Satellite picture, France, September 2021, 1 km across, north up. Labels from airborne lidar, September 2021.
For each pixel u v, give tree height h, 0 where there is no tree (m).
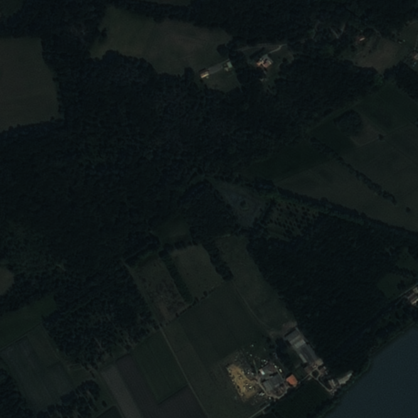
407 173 0
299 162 0
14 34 21
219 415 0
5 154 21
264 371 0
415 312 15
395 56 0
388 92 0
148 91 21
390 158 0
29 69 0
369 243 18
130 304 21
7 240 11
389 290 0
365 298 22
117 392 0
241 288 0
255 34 16
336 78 20
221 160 23
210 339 0
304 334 14
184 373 0
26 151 27
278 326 0
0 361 6
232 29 22
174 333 0
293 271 19
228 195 0
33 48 0
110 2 22
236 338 0
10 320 0
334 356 20
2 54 0
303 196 0
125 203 7
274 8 22
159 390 0
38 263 16
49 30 22
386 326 0
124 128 33
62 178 25
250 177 0
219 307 0
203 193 23
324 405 15
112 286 20
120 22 0
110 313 20
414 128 0
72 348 20
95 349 9
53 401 0
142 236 18
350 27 9
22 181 23
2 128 0
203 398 0
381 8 24
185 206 29
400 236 19
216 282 0
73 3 30
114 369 0
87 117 24
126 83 20
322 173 0
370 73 21
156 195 30
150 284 0
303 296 24
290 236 8
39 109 0
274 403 9
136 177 31
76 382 0
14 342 0
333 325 23
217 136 22
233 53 16
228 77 0
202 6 28
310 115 17
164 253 26
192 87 12
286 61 13
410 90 15
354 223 23
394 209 0
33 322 0
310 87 17
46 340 0
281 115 21
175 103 18
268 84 0
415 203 0
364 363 22
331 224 23
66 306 21
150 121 18
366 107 0
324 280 19
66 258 20
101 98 29
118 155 8
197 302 12
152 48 0
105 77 25
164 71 0
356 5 22
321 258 21
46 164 25
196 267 0
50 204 26
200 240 15
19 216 16
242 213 0
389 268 15
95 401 12
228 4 22
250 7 20
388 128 0
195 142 23
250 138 34
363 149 0
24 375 0
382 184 0
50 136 25
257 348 0
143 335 14
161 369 0
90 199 15
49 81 0
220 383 0
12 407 18
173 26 0
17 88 0
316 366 0
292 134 22
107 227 23
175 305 0
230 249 0
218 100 15
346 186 0
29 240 12
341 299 19
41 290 8
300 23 15
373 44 0
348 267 20
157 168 6
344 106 14
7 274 0
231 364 0
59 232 26
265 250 21
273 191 26
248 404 0
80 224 21
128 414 0
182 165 23
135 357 0
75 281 17
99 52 0
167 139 17
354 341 17
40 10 24
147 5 15
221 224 23
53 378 0
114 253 21
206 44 0
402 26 21
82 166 14
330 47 20
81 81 26
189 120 25
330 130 0
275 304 0
